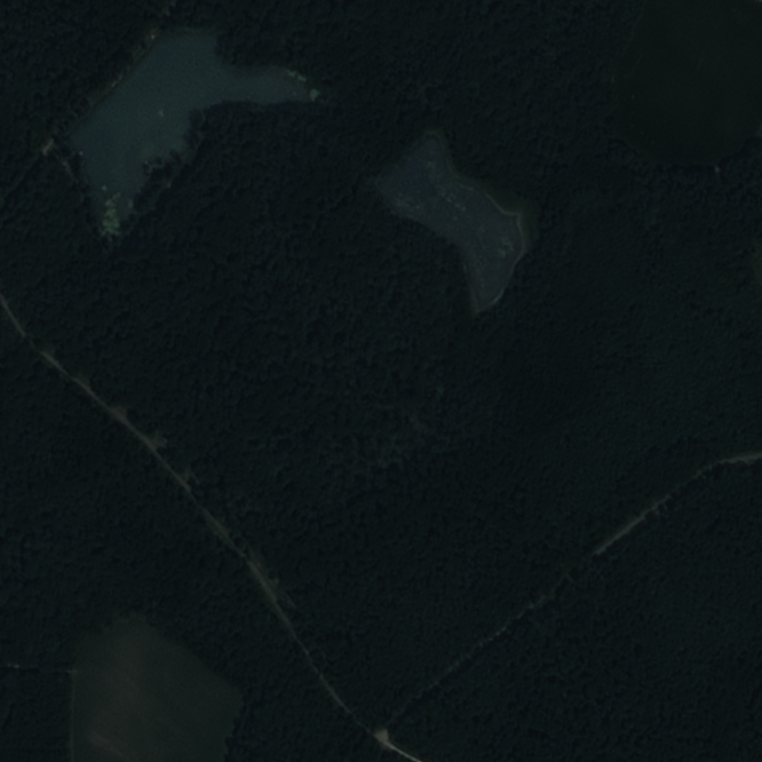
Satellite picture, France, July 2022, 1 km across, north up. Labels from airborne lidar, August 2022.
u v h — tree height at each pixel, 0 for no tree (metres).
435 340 28
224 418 24
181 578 28
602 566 18
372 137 25
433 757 14
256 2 30
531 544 24
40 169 25
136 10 26
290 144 16
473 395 23
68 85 18
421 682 20
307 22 24
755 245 16
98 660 0
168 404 22
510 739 21
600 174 26
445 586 19
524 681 20
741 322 17
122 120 0
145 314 29
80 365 25
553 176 22
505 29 24
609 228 22
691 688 21
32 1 7
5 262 22
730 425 17
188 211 24
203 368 33
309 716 24
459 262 19
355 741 15
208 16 21
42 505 22
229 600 24
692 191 20
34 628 25
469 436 26
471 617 18
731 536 23
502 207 0
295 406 26
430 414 29
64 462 28
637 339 15
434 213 0
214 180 19
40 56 24
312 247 28
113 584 24
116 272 30
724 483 21
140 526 27
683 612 20
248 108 13
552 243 14
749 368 19
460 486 33
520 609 20
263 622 27
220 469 26
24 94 22
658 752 20
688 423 15
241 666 28
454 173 0
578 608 22
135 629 0
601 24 16
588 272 18
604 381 15
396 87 23
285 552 30
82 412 28
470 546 20
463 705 17
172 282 26
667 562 18
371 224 24
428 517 29
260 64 12
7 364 21
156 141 0
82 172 29
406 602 20
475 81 24
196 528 23
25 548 26
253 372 19
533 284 18
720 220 22
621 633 21
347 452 30
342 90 23
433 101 18
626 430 16
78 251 17
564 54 15
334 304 26
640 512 14
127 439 26
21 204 19
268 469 27
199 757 0
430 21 23
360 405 25
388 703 21
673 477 23
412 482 33
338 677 19
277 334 32
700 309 17
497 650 19
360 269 24
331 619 16
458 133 21
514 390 22
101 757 0
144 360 22
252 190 25
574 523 14
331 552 31
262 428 27
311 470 22
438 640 17
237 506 25
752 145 19
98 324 31
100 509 24
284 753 23
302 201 33
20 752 18
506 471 29
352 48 25
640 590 20
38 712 16
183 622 18
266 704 26
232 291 23
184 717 0
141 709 0
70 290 23
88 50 25
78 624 24
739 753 24
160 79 0
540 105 21
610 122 25
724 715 26
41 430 27
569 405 23
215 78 0
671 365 17
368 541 32
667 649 19
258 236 18
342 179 29
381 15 26
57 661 22
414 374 28
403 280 26
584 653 21
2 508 16
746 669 25
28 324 21
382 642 20
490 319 10
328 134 23
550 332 20
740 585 18
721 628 21
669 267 20
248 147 27
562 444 16
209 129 18
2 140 22
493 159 23
